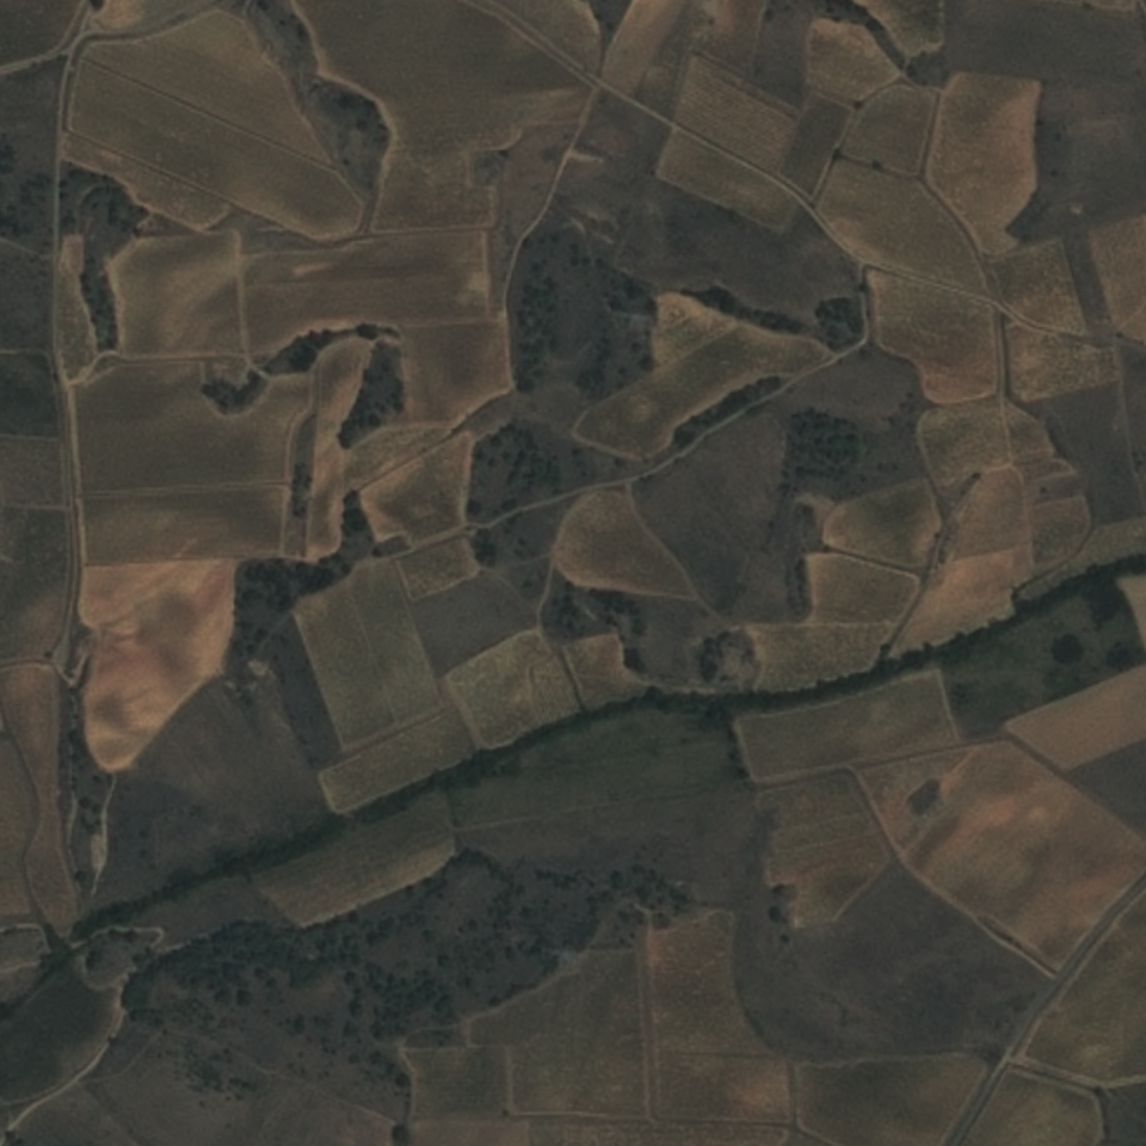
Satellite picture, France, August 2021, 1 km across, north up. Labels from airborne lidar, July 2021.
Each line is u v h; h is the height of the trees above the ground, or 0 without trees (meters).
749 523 0
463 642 0
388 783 0
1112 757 0
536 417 0
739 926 0
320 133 0
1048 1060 0
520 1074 0
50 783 0
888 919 0
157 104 0
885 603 0
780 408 0
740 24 0
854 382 0
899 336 0
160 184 0
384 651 0
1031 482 0
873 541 0
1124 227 0
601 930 0
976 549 0
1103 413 0
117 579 0
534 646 0
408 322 0
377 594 0
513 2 0
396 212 0
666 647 0
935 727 0
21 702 0
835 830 0
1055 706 0
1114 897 0
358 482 0
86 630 0
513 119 0
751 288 0
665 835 0
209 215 0
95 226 0
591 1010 0
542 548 0
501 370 0
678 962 0
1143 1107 0
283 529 0
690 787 0
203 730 0
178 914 0
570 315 0
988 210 0
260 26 0
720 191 0
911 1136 0
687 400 0
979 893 0
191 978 8
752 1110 0
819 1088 0
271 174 0
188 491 0
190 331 0
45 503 0
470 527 0
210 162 0
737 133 0
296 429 0
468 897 0
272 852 8
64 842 0
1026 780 0
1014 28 0
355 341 0
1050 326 0
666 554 0
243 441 0
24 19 0
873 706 0
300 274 0
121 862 0
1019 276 0
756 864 0
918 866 0
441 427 0
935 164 0
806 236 0
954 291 0
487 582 0
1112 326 0
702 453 0
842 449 12
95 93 0
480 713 0
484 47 0
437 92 0
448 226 0
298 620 0
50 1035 0
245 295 0
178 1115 0
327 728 0
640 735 0
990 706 0
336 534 0
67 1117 0
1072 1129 0
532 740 10
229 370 0
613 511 0
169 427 0
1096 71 0
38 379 0
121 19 0
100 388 0
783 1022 0
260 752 0
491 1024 0
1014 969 0
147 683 0
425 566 0
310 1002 0
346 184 0
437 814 0
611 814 0
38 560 0
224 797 0
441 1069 0
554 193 0
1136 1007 0
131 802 0
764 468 0
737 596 0
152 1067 0
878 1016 0
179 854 0
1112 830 0
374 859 0
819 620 0
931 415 0
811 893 0
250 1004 13
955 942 0
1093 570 7
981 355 0
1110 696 0
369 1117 0
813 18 0
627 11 0
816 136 0
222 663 0
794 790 0
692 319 0
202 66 0
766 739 0
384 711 0
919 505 0
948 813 0
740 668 0
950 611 0
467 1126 0
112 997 0
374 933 9
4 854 0
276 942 14
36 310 0
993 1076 0
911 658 11
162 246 0
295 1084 0
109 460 0
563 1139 0
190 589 0
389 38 0
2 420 0
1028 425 0
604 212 0
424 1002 7
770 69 0
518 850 0
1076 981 0
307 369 6
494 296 0
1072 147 0
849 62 0
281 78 0
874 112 0
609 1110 0
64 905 0
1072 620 0
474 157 0
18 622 0
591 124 0
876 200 0
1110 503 0
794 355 0
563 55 0
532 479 9
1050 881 0
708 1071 0
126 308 0
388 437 0
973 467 0
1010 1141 0
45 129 0
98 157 0
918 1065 0
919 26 0
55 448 0
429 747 0
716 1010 0
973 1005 0
